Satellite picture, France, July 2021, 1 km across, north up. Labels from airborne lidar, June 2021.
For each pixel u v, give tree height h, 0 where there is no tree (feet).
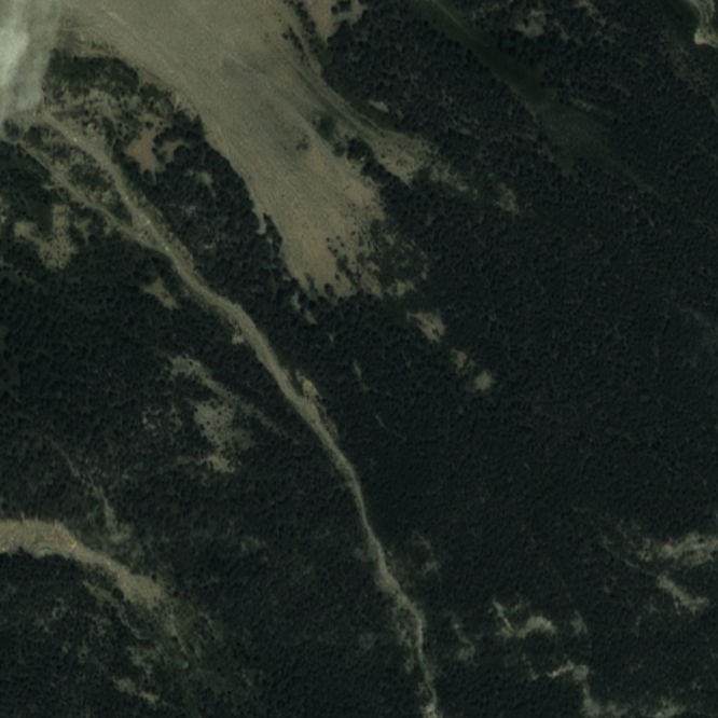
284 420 28
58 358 67
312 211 0
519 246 38
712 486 32
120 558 27
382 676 36
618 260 37
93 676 35
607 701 18
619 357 32
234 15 0
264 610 28
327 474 32
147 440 22
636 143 29
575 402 27
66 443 37
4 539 0
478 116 37
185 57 0
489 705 58
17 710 28
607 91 62
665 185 39
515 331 38
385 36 64
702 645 28
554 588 30
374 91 65
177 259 0
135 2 0
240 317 0
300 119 0
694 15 0
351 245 0
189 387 34
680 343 35
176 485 44
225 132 0
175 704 29
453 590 38
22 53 0
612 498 40
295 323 55
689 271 29
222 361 52
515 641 25
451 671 32
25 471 38
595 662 33
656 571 21
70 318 31
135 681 41
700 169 43
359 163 41
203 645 28
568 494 36
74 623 21
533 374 37
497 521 46
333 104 0
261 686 41
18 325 60
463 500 26
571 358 39
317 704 61
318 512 26
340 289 0
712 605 18
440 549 24
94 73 24
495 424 36
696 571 20
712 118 30
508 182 29
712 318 35
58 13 0
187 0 0
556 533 47
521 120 48
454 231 45
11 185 35
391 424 23
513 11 77
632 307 26
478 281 40
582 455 52
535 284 39
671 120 33
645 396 31
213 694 31
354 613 36
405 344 64
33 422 48
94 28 0
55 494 25
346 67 50
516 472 38
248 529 29
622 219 40
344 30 46
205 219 31
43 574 34
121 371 51
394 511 31
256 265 48
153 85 0
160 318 60
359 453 20
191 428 46
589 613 29
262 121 0
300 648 27
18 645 22
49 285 33
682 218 29
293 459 49
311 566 24
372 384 28
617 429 27
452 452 30
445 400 43
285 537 58
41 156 0
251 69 0
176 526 29
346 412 32
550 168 77
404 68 51
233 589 36
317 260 0
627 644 25
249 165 0
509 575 36
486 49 0
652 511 28
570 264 31
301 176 0
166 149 0
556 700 52
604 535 29
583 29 67
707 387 37
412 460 31
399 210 33
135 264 32
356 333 51
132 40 0
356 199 0
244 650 26
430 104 47
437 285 19
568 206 36
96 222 28
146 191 43
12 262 33
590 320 45
